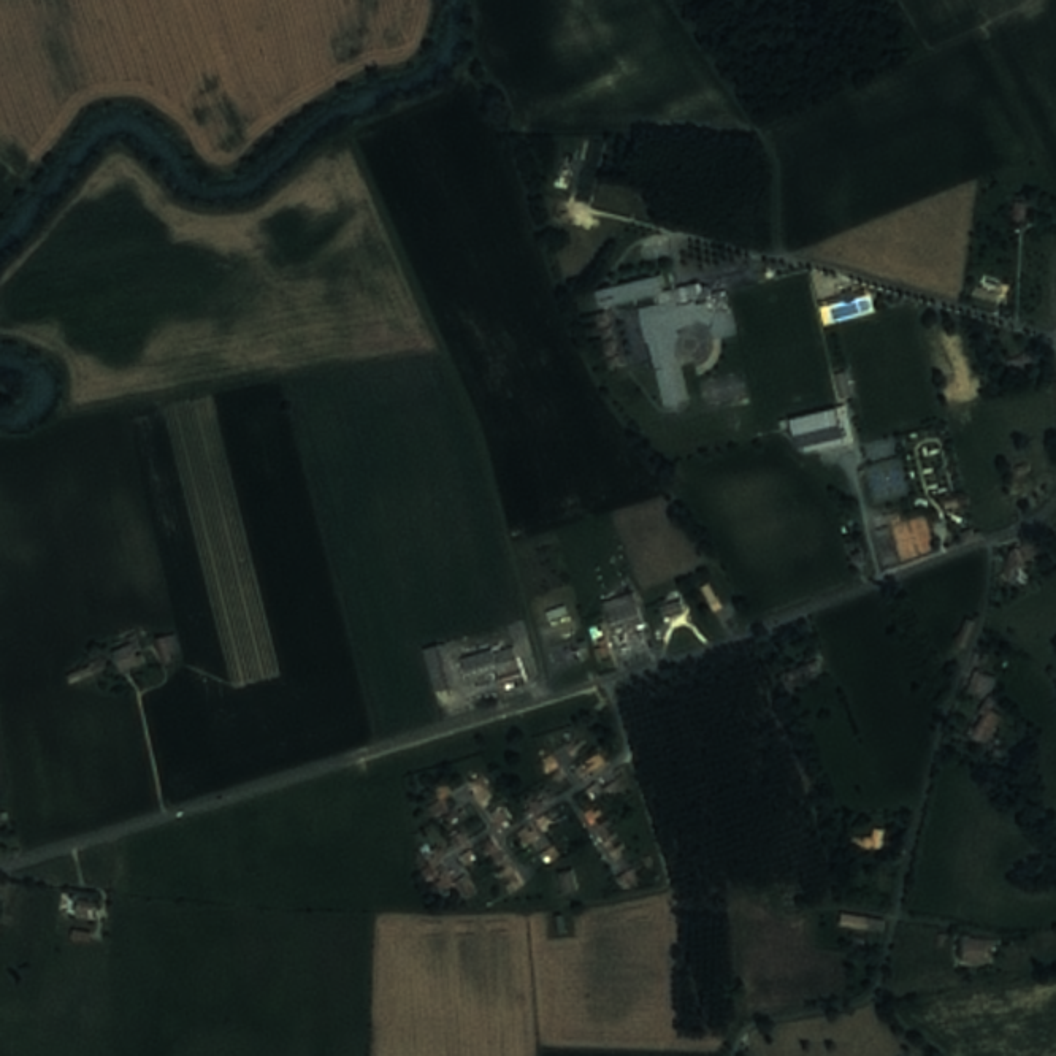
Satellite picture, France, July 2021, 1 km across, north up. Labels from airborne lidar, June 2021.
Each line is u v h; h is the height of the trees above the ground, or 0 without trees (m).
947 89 0
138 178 0
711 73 0
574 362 0
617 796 7
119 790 0
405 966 0
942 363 0
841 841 10
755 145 16
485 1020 0
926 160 0
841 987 0
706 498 0
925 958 0
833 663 0
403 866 0
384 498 0
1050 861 15
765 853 21
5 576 0
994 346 10
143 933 0
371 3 0
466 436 0
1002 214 10
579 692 0
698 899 18
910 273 0
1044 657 0
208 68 0
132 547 0
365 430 0
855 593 0
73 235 0
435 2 7
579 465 0
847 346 0
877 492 0
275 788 0
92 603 0
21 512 0
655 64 0
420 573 0
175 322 0
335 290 0
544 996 0
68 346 0
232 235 0
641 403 0
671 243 0
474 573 0
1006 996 0
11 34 0
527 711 0
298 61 0
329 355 0
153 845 0
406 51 0
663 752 19
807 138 0
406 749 0
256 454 0
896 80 0
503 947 0
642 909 0
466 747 0
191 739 0
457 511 0
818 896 17
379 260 0
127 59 0
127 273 0
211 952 0
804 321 0
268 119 0
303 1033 0
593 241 0
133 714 0
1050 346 9
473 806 0
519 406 0
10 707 0
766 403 0
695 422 0
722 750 20
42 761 0
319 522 0
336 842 0
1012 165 0
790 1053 0
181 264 0
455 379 0
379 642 0
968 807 0
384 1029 0
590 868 0
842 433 0
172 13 0
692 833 19
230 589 0
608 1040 0
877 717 0
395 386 0
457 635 0
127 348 0
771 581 0
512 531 0
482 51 0
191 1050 0
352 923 0
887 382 0
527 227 0
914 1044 11
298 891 0
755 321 0
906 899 7
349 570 0
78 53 0
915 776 0
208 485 0
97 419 0
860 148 0
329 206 0
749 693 19
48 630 0
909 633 18
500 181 0
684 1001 17
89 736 0
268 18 0
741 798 22
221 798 0
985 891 0
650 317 0
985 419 0
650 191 20
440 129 0
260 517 0
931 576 0
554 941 0
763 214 13
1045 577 10
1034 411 0
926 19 0
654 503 0
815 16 16
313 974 0
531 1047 0
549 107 0
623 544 0
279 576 0
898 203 0
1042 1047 0
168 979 0
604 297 0
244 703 0
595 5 0
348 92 15
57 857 0
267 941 0
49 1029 0
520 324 0
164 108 0
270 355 0
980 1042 0
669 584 0
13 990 0
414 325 0
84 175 6
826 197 0
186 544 0
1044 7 0
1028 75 0
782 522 0
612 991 0
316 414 0
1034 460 0
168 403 0
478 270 0
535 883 0
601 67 0
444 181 0
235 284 0
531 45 0
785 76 20
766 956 0
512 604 0
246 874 0
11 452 0
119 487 0
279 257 0
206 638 0
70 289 0
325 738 0
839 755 0
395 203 0
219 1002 0
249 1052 0
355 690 0
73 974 0
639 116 0
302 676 0
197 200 6
